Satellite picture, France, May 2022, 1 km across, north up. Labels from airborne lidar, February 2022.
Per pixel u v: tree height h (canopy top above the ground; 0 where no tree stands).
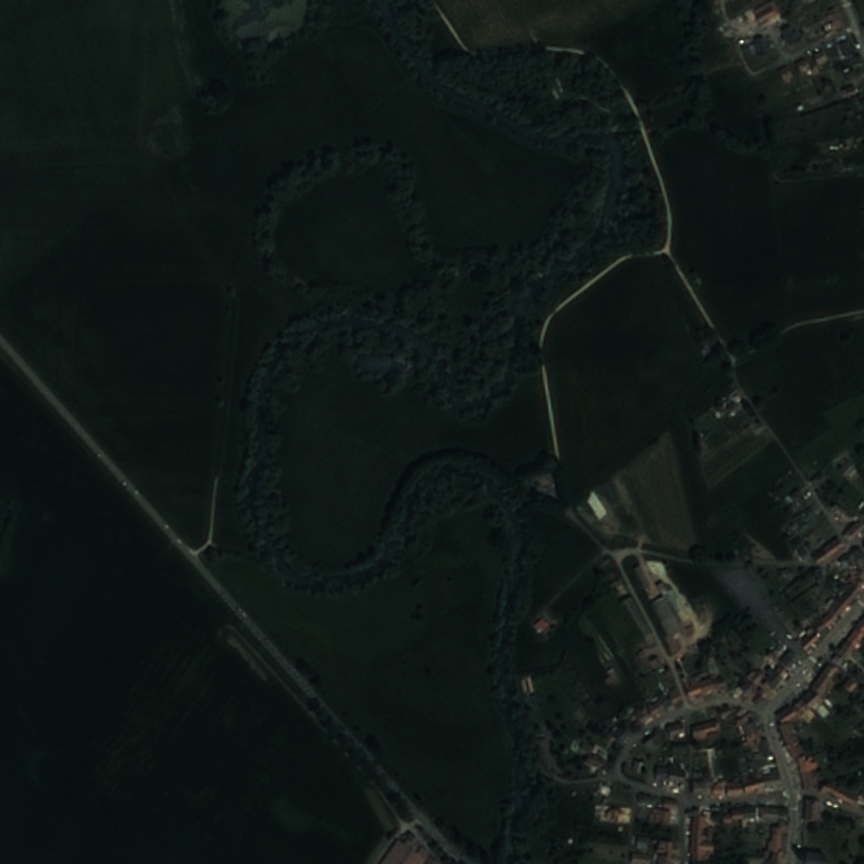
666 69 0
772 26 0
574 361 0
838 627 0
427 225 0
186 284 0
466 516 0
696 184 0
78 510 0
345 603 0
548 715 0
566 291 0
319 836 0
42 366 0
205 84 0
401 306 13
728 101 0
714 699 0
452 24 0
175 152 0
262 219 14
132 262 0
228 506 0
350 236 0
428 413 0
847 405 0
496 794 0
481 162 0
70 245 0
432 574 0
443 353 12
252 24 0
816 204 0
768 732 0
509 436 0
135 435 0
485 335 14
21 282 0
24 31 0
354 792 0
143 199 0
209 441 0
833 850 0
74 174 0
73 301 0
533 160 0
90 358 0
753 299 0
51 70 0
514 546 12
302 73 0
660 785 0
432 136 0
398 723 0
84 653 0
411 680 0
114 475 0
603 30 0
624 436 0
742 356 12
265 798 0
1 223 0
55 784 0
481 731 0
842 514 0
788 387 0
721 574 0
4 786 0
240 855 0
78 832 0
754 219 0
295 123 0
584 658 0
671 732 0
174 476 0
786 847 0
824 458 0
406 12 17
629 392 0
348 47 0
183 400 0
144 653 0
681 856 0
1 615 0
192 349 0
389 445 0
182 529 0
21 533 0
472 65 21
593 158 12
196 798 0
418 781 0
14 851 0
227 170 0
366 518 0
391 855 0
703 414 0
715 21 0
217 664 0
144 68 0
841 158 0
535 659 0
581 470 0
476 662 0
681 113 0
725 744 9
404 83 0
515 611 13
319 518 0
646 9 0
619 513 0
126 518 0
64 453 0
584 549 0
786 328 0
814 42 0
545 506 19
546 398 0
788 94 0
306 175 13
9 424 0
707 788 0
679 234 0
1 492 0
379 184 0
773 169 0
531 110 13
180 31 0
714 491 0
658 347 0
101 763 0
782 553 0
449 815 0
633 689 0
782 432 0
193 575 0
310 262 0
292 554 13
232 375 0
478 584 0
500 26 0
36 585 0
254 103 0
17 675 0
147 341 0
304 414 0
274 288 0
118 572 0
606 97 12
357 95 0
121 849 0
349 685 0
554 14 0
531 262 15
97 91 0
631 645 0
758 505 0
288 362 13
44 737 0
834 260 0
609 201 0
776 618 0
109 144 0
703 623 0
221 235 0
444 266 17
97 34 0
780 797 0
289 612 0
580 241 11
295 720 0
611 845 0
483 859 24
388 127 0
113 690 0
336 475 0
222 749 0
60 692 0
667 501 0
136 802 0
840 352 0
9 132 0
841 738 0
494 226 0
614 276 0
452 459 15
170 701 0
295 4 0
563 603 0
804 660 0
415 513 11
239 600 0
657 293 0
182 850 0
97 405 0
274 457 13
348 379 0
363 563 15
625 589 0
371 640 0
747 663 0
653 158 0
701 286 0
